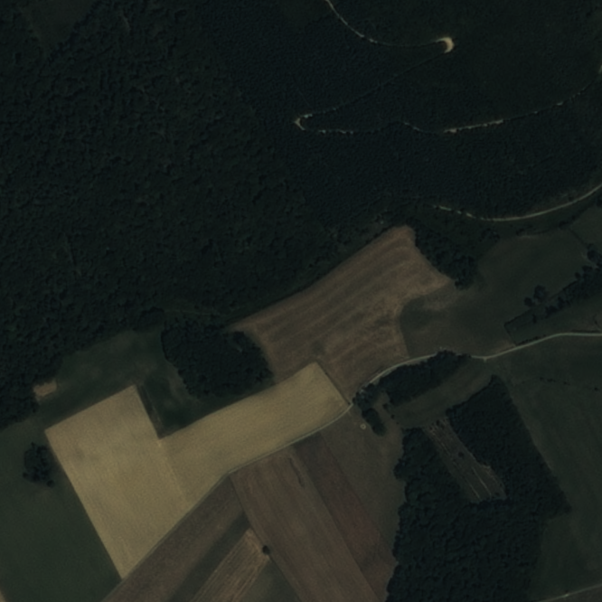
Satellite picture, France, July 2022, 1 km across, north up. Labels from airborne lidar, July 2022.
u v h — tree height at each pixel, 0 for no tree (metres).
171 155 15
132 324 19
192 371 22
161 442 0
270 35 17
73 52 24
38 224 19
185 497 0
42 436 0
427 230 15
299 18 13
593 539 0
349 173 17
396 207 13
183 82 17
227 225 19
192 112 16
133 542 0
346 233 15
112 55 20
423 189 19
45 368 21
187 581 0
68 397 0
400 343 0
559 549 0
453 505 21
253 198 18
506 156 10
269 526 0
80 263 24
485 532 20
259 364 22
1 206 19
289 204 19
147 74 22
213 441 0
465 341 0
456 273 18
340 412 0
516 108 13
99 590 0
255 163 21
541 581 0
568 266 0
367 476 0
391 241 0
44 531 0
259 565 0
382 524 0
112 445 0
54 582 0
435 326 0
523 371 0
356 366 0
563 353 0
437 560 23
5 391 24
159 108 9
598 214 0
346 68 17
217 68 16
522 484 15
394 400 25
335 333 0
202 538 0
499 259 0
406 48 9
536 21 13
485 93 12
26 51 25
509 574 27
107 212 21
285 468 0
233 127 16
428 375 27
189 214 20
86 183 17
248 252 21
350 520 0
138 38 18
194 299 23
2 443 0
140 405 0
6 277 23
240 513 0
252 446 0
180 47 24
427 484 22
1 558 0
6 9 23
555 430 0
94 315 20
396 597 21
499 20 12
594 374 0
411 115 19
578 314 0
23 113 24
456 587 22
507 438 9
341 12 17
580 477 0
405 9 10
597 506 0
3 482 0
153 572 0
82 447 0
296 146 14
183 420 0
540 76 12
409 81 13
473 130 10
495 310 0
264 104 18
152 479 0
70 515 0
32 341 19
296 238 19
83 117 24
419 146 19
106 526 0
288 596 0
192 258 23
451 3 11
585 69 14
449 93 14
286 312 0
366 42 17
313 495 0
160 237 19
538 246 0
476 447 21
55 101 24
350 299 0
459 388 0
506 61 10
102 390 0
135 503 0
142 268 21
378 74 18
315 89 18
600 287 12
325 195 18
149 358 0
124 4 19
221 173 19
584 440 0
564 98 10
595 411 0
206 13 18
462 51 13
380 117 17
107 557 0
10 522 0
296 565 0
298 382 0
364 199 13
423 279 0
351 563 0
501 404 7
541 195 12
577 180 13
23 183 21
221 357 22
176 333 21
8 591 0
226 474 0
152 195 20
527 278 0
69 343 21
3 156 20
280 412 0
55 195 18
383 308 0
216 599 0
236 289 21
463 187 19
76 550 0
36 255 18
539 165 11
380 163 20
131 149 21
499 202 12
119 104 24
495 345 0
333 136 17
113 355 0
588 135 12
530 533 22
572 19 16
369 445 0
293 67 19
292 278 20
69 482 0
